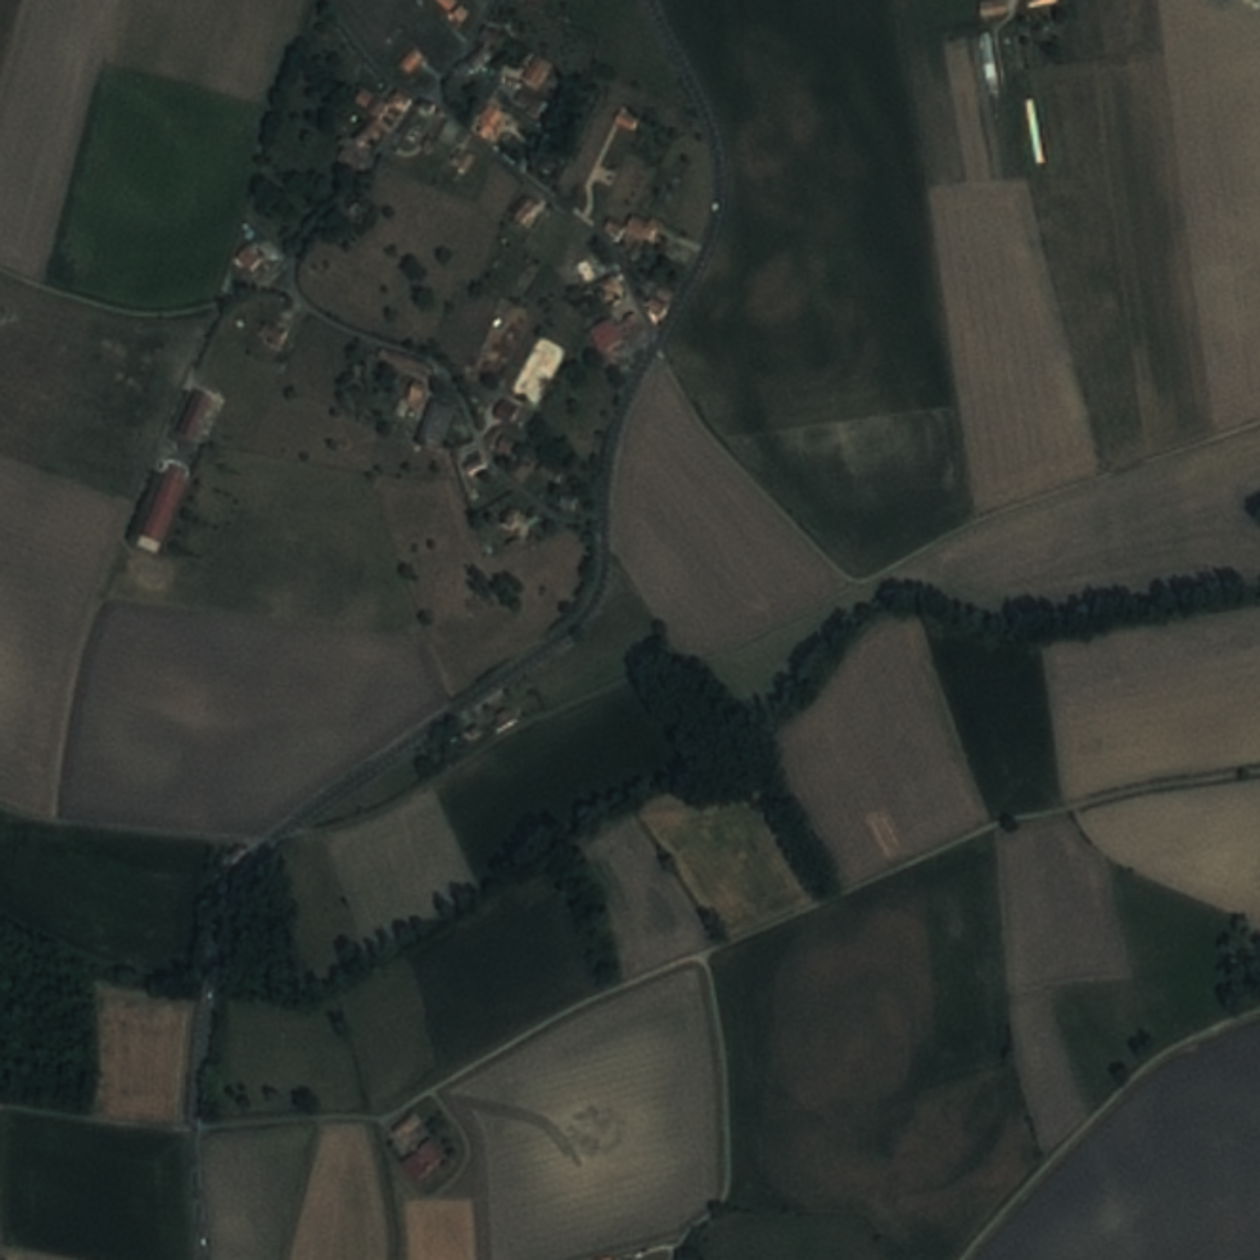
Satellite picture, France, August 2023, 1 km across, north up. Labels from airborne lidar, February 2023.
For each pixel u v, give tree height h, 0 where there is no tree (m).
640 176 0
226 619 0
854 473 0
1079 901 0
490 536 0
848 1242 0
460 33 0
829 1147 0
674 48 0
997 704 0
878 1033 0
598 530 6
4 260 0
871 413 0
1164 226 0
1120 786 0
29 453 0
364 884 0
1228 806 0
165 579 0
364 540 0
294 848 0
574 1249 0
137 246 0
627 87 0
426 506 0
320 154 0
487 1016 0
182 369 0
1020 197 0
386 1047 0
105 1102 0
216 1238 0
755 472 0
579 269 0
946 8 0
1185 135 0
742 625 0
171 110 0
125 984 13
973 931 0
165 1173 0
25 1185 0
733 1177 0
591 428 0
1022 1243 0
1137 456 0
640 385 0
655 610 0
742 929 0
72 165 0
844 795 0
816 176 0
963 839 0
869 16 0
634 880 0
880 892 0
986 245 0
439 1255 0
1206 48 0
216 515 0
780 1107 0
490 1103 0
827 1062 0
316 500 0
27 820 0
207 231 0
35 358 0
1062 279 0
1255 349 0
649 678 34
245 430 0
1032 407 0
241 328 0
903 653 0
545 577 0
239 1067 0
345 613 0
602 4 0
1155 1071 0
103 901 0
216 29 0
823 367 0
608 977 14
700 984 0
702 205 0
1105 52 0
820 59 0
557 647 0
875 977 0
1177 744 0
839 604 0
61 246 0
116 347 0
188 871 0
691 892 0
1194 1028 0
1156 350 0
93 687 0
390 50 0
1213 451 0
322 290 0
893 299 0
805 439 0
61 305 0
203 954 16
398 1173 0
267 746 0
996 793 0
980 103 0
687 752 32
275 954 24
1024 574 0
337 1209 0
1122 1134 0
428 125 0
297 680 0
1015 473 0
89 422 0
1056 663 0
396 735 0
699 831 0
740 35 0
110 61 0
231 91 0
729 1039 0
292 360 0
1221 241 0
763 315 0
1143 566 0
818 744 0
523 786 0
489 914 0
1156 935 0
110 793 0
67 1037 6
